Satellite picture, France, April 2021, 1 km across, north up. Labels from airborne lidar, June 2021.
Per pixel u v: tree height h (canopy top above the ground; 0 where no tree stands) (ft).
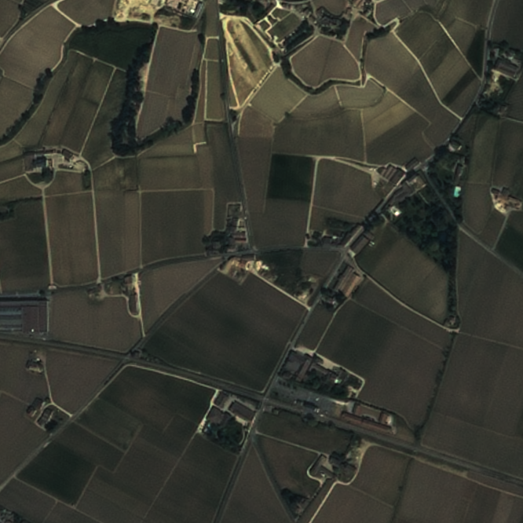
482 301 0
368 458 0
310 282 0
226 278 0
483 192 0
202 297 0
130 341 0
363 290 0
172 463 0
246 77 0
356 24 0
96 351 0
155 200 0
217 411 0
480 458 0
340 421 0
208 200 0
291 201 0
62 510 0
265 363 0
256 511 0
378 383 0
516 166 0
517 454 0
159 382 0
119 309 0
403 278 0
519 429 0
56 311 0
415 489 0
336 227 0
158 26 30
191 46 0
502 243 0
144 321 0
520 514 0
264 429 0
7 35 0
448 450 0
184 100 0
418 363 0
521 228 0
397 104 0
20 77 0
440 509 0
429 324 0
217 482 0
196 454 0
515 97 0
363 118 0
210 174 0
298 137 0
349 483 0
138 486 0
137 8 0
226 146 0
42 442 0
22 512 0
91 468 0
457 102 0
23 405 0
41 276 0
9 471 0
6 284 0
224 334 0
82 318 0
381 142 0
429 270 0
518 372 0
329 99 0
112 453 0
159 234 0
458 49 0
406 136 0
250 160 0
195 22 0
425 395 0
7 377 0
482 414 0
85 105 0
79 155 0
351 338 0
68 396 0
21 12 34
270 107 0
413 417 0
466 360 0
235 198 0
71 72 0
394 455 0
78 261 0
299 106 0
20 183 0
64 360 0
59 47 0
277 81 0
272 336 0
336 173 0
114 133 29
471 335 0
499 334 0
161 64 0
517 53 26
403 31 0
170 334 0
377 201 0
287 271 0
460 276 0
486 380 0
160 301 0
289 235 0
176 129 71
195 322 0
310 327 0
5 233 0
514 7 0
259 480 0
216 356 0
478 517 0
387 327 0
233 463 0
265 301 0
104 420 0
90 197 0
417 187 22
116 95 0
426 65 0
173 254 0
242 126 0
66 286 0
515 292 0
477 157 0
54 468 0
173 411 0
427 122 0
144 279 0
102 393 0
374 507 0
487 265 0
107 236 0
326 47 0
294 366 0
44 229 0
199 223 0
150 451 0
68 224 0
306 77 0
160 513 0
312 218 0
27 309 0
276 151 0
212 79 0
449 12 0
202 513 0
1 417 0
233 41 0
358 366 0
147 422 0
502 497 0
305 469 0
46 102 0
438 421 0
